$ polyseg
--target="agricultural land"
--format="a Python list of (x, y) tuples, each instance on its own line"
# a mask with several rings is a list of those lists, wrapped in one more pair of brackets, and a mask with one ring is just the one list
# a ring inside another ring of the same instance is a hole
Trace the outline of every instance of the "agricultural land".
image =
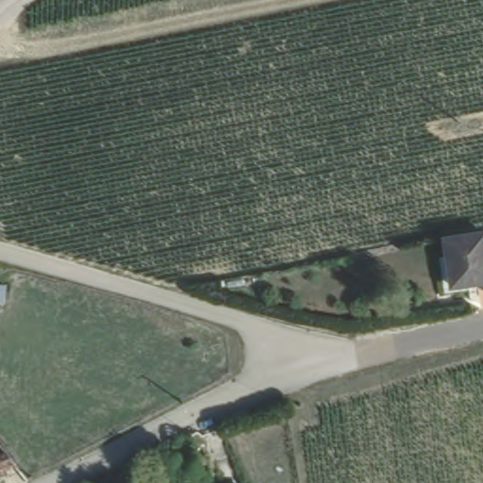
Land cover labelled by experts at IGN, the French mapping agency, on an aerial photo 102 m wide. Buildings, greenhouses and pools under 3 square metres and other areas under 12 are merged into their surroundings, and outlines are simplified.
[(9, 460), (13, 455), (17, 455), (17, 470), (28, 479), (38, 479), (51, 472), (60, 474), (70, 466), (72, 458), (89, 455), (92, 451), (102, 451), (104, 441), (108, 440), (111, 434), (123, 434), (134, 426), (143, 428), (157, 417), (162, 417), (179, 408), (181, 404), (189, 402), (194, 396), (215, 389), (219, 383), (236, 381), (245, 364), (245, 343), (240, 332), (232, 326), (221, 325), (179, 309), (153, 304), (142, 298), (126, 296), (121, 292), (106, 291), (74, 279), (45, 274), (40, 270), (0, 260), (0, 460)]

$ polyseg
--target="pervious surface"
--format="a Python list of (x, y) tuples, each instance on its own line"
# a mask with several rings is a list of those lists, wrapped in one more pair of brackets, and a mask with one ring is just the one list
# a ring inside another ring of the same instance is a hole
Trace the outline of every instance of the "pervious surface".
[(0, 62), (66, 55), (111, 43), (132, 42), (177, 30), (217, 25), (243, 17), (274, 13), (281, 9), (313, 6), (332, 0), (247, 0), (228, 6), (198, 9), (183, 15), (162, 17), (145, 23), (96, 28), (92, 32), (74, 34), (66, 38), (26, 40), (23, 32), (19, 30), (19, 15), (23, 13), (25, 6), (34, 0), (0, 0)]
[(9, 468), (17, 470), (17, 455), (13, 455), (9, 460), (0, 460), (0, 483), (4, 483)]

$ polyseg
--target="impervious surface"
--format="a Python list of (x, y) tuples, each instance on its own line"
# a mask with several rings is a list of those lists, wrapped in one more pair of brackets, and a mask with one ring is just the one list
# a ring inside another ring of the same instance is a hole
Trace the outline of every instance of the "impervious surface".
[(191, 434), (196, 451), (208, 451), (209, 458), (217, 460), (221, 474), (226, 477), (232, 475), (232, 470), (228, 466), (219, 434), (230, 426), (240, 425), (245, 417), (260, 419), (270, 409), (285, 406), (285, 402), (289, 400), (285, 394), (298, 391), (309, 383), (321, 381), (326, 377), (391, 362), (394, 358), (423, 357), (430, 353), (460, 349), (475, 341), (483, 341), (483, 309), (474, 308), (466, 317), (375, 330), (347, 338), (325, 328), (289, 325), (277, 319), (251, 315), (240, 309), (213, 306), (204, 300), (192, 298), (185, 292), (179, 291), (175, 283), (155, 279), (149, 275), (134, 274), (121, 266), (98, 266), (96, 262), (87, 262), (85, 258), (74, 260), (60, 253), (43, 253), (36, 247), (28, 247), (25, 243), (17, 241), (0, 241), (0, 260), (40, 270), (45, 274), (74, 279), (106, 291), (121, 292), (126, 296), (142, 298), (153, 304), (179, 309), (221, 325), (232, 326), (240, 332), (245, 343), (245, 364), (236, 381), (219, 383), (215, 389), (194, 396), (189, 402), (181, 404), (179, 408), (162, 417), (157, 417), (143, 428), (134, 426), (123, 434), (111, 434), (108, 440), (104, 441), (102, 451), (92, 451), (89, 455), (72, 458), (70, 466), (60, 474), (51, 472), (38, 479), (28, 479), (17, 470), (9, 468), (4, 483), (108, 483), (109, 474), (106, 468), (119, 460), (125, 462), (126, 453), (132, 445), (142, 441), (153, 441), (155, 438), (158, 443), (172, 443), (181, 434)]

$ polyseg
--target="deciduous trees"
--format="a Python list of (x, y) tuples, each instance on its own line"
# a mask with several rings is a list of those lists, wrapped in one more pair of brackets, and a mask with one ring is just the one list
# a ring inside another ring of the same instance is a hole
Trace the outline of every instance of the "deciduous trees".
[(208, 451), (196, 451), (191, 434), (181, 434), (172, 443), (158, 443), (155, 449), (140, 451), (136, 458), (136, 466), (132, 468), (132, 483), (230, 483), (226, 477), (221, 474), (217, 460), (209, 458)]
[(370, 311), (377, 311), (379, 317), (406, 317), (411, 300), (409, 291), (383, 294), (370, 304), (345, 304), (345, 313), (355, 317), (370, 317)]

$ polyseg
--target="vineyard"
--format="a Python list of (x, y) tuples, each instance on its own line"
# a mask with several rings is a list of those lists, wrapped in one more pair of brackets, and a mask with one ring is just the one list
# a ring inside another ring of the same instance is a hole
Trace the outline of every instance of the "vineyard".
[(274, 266), (279, 260), (300, 260), (313, 253), (321, 253), (336, 247), (347, 247), (351, 251), (364, 249), (366, 253), (372, 253), (374, 249), (391, 245), (389, 240), (392, 234), (411, 232), (419, 226), (419, 221), (425, 221), (430, 217), (468, 217), (470, 223), (475, 226), (483, 225), (483, 0), (332, 0), (313, 6), (281, 9), (274, 13), (243, 17), (217, 25), (177, 30), (132, 42), (111, 43), (66, 55), (0, 62), (0, 241), (17, 241), (25, 243), (28, 247), (36, 247), (43, 253), (60, 253), (74, 260), (85, 258), (87, 262), (96, 262), (98, 266), (121, 266), (134, 274), (149, 275), (155, 279), (175, 283), (183, 274), (228, 274), (243, 268)]
[(423, 379), (404, 381), (402, 385), (392, 385), (383, 391), (360, 394), (355, 398), (336, 402), (332, 406), (319, 406), (317, 425), (306, 426), (300, 432), (308, 483), (483, 483), (483, 358), (438, 374), (426, 374)]
[(183, 15), (198, 9), (228, 6), (247, 0), (34, 0), (25, 6), (23, 13), (19, 15), (19, 30), (23, 32), (26, 40), (66, 38), (74, 34), (92, 32), (96, 28), (145, 23), (162, 17)]

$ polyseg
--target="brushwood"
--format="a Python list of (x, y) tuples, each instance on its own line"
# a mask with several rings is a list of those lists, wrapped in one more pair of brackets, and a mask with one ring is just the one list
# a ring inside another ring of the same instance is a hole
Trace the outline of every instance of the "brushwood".
[(409, 291), (411, 300), (406, 317), (379, 317), (377, 311), (370, 311), (370, 317), (355, 317), (353, 321), (341, 323), (323, 319), (323, 311), (317, 309), (292, 308), (294, 291), (279, 289), (266, 281), (243, 289), (223, 289), (219, 281), (204, 281), (191, 285), (185, 292), (192, 298), (204, 300), (213, 306), (240, 309), (251, 315), (277, 319), (289, 325), (325, 328), (347, 338), (375, 330), (466, 317), (474, 308), (468, 302), (455, 294), (447, 300), (434, 300), (417, 306), (417, 298), (423, 292), (421, 287), (415, 281), (409, 281)]
[(260, 419), (245, 417), (240, 425), (230, 426), (219, 434), (228, 466), (232, 470), (232, 475), (226, 477), (230, 483), (251, 483), (241, 466), (238, 451), (232, 445), (234, 436), (241, 432), (257, 430), (260, 426), (277, 425), (281, 419), (291, 419), (294, 408), (289, 404), (289, 400), (285, 402), (285, 406), (270, 409)]

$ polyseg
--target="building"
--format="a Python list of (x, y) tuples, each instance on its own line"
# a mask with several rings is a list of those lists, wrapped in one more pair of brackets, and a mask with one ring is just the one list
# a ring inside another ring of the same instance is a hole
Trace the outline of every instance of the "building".
[(468, 302), (474, 308), (483, 309), (483, 225), (475, 226), (475, 232), (441, 238), (441, 277), (449, 283), (449, 287), (470, 287)]

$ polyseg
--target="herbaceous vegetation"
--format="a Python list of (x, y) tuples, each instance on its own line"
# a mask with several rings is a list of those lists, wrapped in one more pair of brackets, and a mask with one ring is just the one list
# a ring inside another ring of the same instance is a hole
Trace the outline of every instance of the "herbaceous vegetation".
[(155, 449), (158, 443), (155, 438), (153, 441), (142, 441), (132, 445), (126, 453), (125, 462), (119, 460), (106, 468), (109, 474), (108, 483), (132, 483), (132, 468), (136, 466), (136, 458), (140, 451)]
[(266, 281), (279, 289), (294, 291), (292, 308), (317, 309), (323, 311), (323, 319), (341, 323), (353, 321), (355, 317), (345, 313), (345, 304), (370, 304), (383, 294), (409, 291), (409, 281), (415, 281), (421, 287), (423, 292), (417, 298), (417, 306), (434, 300), (447, 300), (455, 294), (468, 302), (470, 287), (449, 287), (449, 283), (441, 277), (441, 238), (475, 232), (475, 226), (470, 223), (468, 217), (430, 217), (425, 221), (419, 221), (419, 226), (411, 232), (392, 234), (389, 240), (391, 245), (374, 249), (372, 253), (366, 253), (364, 249), (351, 251), (347, 247), (336, 247), (321, 253), (313, 253), (300, 260), (279, 260), (274, 266), (243, 268), (228, 274), (183, 274), (175, 283), (179, 291), (185, 292), (191, 285), (204, 281), (219, 281), (223, 289), (243, 289)]
[(391, 362), (326, 377), (321, 381), (309, 383), (298, 391), (285, 394), (289, 400), (289, 404), (294, 408), (291, 419), (281, 419), (277, 425), (260, 426), (257, 430), (241, 432), (234, 436), (232, 445), (238, 451), (241, 466), (251, 483), (308, 483), (300, 432), (306, 426), (317, 425), (319, 406), (332, 406), (336, 402), (355, 398), (360, 394), (383, 391), (392, 385), (402, 385), (404, 381), (423, 379), (426, 374), (438, 374), (483, 358), (483, 341), (475, 341), (460, 349), (430, 353), (423, 357), (394, 358)]

